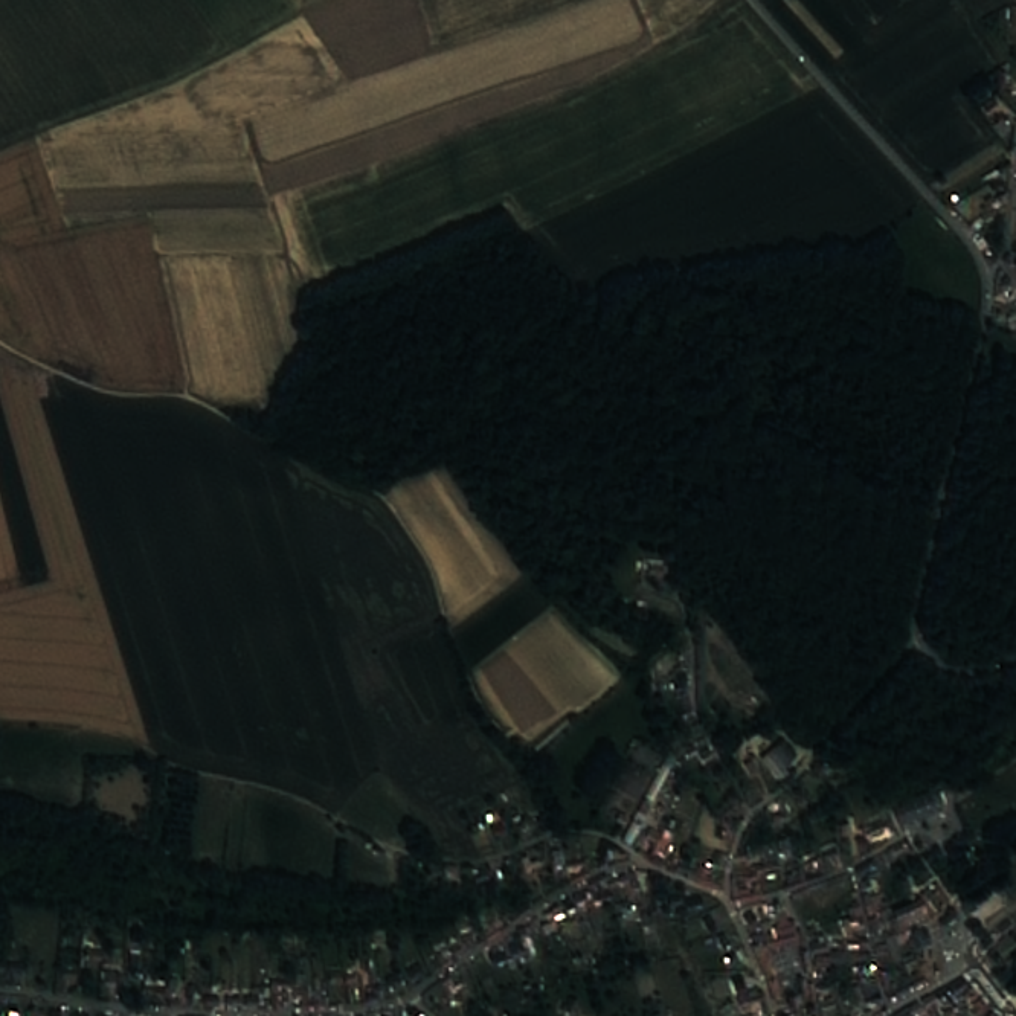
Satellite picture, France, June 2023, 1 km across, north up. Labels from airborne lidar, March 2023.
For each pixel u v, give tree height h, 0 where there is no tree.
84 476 0
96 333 0
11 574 0
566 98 0
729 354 25
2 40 0
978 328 13
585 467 22
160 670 0
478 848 0
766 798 0
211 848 0
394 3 0
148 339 0
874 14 0
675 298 26
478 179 0
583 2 0
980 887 25
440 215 0
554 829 22
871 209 0
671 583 15
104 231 0
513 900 13
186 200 0
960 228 0
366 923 15
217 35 0
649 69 0
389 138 0
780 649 24
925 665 14
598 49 0
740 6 0
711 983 0
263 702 0
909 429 22
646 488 27
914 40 0
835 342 23
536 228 0
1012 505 25
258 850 0
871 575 31
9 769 0
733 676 0
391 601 0
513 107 0
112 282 0
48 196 0
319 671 0
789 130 0
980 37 0
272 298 0
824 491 33
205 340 0
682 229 0
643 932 0
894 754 19
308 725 0
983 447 24
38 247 0
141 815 7
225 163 0
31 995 0
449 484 0
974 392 16
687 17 0
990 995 0
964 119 0
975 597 26
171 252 0
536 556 15
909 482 24
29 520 0
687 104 0
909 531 30
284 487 0
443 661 0
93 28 0
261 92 0
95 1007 0
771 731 17
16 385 0
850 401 19
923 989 0
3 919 12
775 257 19
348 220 0
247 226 0
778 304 22
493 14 0
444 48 0
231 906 17
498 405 20
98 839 14
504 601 0
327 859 0
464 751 0
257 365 0
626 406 23
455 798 0
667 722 12
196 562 0
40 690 0
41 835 9
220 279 0
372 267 14
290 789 0
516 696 0
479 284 23
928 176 0
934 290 0
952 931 0
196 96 0
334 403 22
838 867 0
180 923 20
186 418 0
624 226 0
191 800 9
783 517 22
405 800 0
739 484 33
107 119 0
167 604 0
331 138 0
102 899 11
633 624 18
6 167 0
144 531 0
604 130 0
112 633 0
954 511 18
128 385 0
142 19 0
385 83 0
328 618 0
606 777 27
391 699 0
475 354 28
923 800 0
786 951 0
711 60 0
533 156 0
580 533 25
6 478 0
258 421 10
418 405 29
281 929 9
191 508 0
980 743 22
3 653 0
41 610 0
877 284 24
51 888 7
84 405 0
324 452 20
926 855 9
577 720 8
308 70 0
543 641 0
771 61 0
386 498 0
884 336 23
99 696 0
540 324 26
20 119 0
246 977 0
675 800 0
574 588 7
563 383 28
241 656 0
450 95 0
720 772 14
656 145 0
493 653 0
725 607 19
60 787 0
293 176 0
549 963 0
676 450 21
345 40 0
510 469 22
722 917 0
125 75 0
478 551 0
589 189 0
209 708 0
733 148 0
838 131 0
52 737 0
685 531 23
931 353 26
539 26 0
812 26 0
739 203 0
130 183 0
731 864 0
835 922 0
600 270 0
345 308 21
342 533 0
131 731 0
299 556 0
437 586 0
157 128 0
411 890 14
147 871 7
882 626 31
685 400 28
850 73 0
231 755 0
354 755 0
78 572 0
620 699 0
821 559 33
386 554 0
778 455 35
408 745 0
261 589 0
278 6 0
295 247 0
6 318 0
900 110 0
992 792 0
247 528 0
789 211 0
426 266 20
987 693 30
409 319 28
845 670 30
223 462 0
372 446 21
